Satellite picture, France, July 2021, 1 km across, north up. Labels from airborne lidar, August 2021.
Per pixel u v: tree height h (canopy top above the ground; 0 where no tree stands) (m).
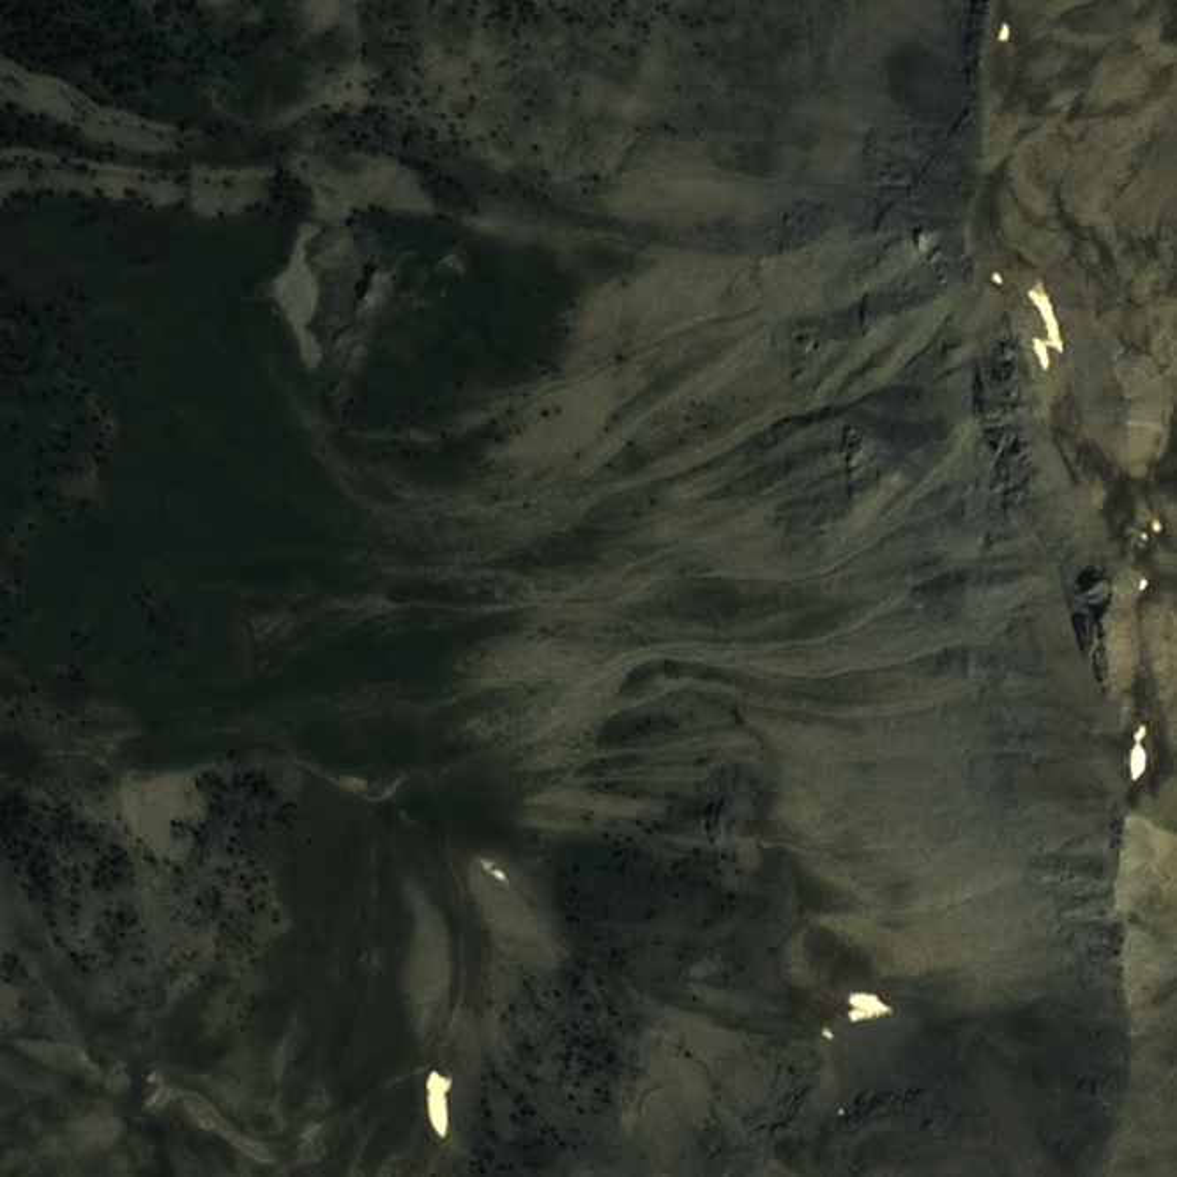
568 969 0
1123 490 0
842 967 0
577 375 0
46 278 0
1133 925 0
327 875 0
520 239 0
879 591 0
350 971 0
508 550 0
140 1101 0
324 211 0
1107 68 0
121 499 0
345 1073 0
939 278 0
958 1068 0
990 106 0
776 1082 0
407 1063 0
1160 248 0
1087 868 0
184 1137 0
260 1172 0
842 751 0
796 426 0
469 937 0
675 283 0
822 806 0
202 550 0
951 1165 0
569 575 0
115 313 0
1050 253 0
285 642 0
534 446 0
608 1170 0
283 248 0
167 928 0
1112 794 0
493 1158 7
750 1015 0
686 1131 0
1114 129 0
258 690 0
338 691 0
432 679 0
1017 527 0
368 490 0
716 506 0
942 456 0
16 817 7
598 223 0
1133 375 0
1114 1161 0
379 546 0
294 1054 0
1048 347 0
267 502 0
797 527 0
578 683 0
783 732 0
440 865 0
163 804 0
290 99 0
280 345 0
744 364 0
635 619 0
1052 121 0
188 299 0
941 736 0
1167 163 0
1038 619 0
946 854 0
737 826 0
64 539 0
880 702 0
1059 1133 0
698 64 0
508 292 0
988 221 0
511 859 0
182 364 0
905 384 0
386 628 0
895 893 0
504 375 0
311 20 0
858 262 0
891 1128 0
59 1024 0
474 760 0
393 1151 0
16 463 0
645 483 0
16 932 0
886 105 0
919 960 0
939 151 0
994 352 0
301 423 0
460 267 0
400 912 0
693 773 0
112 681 0
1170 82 0
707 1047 0
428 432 0
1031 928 0
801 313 0
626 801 0
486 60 0
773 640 0
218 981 0
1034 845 0
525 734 0
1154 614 0
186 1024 0
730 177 0
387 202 0
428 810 0
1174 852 0
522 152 0
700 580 0
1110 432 0
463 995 0
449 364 0
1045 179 0
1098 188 0
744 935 0
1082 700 0
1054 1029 0
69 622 0
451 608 0
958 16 0
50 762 0
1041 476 0
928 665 0
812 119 0
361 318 0
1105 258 0
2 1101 0
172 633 0
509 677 0
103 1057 0
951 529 0
